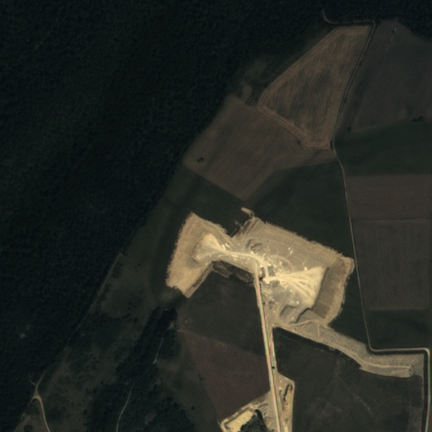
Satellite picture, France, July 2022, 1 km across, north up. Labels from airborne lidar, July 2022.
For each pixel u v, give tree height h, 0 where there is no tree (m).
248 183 0
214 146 0
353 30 0
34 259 20
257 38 18
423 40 0
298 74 0
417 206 0
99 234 13
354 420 0
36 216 24
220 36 16
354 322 0
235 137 0
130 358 6
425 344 0
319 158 0
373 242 0
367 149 0
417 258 0
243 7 9
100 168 18
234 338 0
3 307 13
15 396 16
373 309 0
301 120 0
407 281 0
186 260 0
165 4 22
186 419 12
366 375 0
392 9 22
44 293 9
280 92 0
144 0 25
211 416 0
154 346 14
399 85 0
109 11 20
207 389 0
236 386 0
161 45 21
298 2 18
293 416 0
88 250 14
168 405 6
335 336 0
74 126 22
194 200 0
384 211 0
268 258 0
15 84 17
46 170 22
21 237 20
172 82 15
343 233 0
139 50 18
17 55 20
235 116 0
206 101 10
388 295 0
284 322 0
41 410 0
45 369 10
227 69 12
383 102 0
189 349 0
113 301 0
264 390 0
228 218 0
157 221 0
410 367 0
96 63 22
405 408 0
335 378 0
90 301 14
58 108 15
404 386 0
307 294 0
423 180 0
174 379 0
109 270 11
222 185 0
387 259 0
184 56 19
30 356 16
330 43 0
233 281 0
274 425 0
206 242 0
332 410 0
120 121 18
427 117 0
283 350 0
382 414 0
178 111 11
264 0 10
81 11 23
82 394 0
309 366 0
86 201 11
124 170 15
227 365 0
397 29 0
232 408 0
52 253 14
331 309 0
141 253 0
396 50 0
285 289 0
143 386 9
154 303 0
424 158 0
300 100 0
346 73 0
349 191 0
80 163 25
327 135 0
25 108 20
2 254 22
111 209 8
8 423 12
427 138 0
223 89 18
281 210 0
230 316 0
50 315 13
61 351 13
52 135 18
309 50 0
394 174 0
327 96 0
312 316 0
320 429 0
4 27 16
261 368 0
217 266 0
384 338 0
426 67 0
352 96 0
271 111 0
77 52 24
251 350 0
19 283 15
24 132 13
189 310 0
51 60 21
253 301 0
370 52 0
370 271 0
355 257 0
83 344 5
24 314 12
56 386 0
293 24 14
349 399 0
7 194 15
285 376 0
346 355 0
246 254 0
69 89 19
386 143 0
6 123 21
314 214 0
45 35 13
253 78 0
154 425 10
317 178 0
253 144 0
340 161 0
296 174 0
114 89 24
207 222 0
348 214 0
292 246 0
